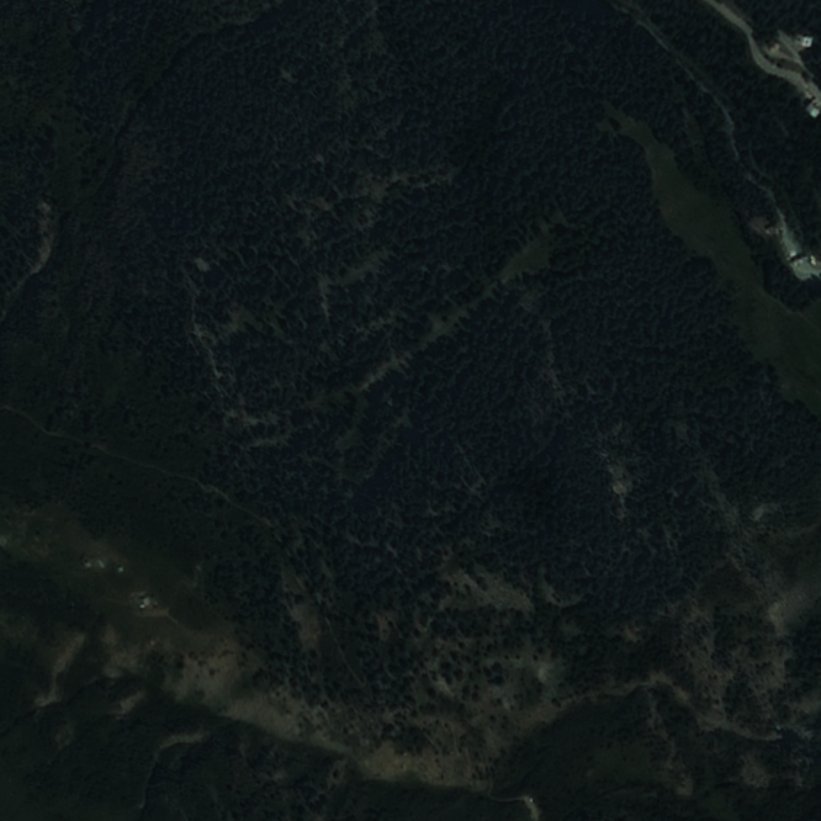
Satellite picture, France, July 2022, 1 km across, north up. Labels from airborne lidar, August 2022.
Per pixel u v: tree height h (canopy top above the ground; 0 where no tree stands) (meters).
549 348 31
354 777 6
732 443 12
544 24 27
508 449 34
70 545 0
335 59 37
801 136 22
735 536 33
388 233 31
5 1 9
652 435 18
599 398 14
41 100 7
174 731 9
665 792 7
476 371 30
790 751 38
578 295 27
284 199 33
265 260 14
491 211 15
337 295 17
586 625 13
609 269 30
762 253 21
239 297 13
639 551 20
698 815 9
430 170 10
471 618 8
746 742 12
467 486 29
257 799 11
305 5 17
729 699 9
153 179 11
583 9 38
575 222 17
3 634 0
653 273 32
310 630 0
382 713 11
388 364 20
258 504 6
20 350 0
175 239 19
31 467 6
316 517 28
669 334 32
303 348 29
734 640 8
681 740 7
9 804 0
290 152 18
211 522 8
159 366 6
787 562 6
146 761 6
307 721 8
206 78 21
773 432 8
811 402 0
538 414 36
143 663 0
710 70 25
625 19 14
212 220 26
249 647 10
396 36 21
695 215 0
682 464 29
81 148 8
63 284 8
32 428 5
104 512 6
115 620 0
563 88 30
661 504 16
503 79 16
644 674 8
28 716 8
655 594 29
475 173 16
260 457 34
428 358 10
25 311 7
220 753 8
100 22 24
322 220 12
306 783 12
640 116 28
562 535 23
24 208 22
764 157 29
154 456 8
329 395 11
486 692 0
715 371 16
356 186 29
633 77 33
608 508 28
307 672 11
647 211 31
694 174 24
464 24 16
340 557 22
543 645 9
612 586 23
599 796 7
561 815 6
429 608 11
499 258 16
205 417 7
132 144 11
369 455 18
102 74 17
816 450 24
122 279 9
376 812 15
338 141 17
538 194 15
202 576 0
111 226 7
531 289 20
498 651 7
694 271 28
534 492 16
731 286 6
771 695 6
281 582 14
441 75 14
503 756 9
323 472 22
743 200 32
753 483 17
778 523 6
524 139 27
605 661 15
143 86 14
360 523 19
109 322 8
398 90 21
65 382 7
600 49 32
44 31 9
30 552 0
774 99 23
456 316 0
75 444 7
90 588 0
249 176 39
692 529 13
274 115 29
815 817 14
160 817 0
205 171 26
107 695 9
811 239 11
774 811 10
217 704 0
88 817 0
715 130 25
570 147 38
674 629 6
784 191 9
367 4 14
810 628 8
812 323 0
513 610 8
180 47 10
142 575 0
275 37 32
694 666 8
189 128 23
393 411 41
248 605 9
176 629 0
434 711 11
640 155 32
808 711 0
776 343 0
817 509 12
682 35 17
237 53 23
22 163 25
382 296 10
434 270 30
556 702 8
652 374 30
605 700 6
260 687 6
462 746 8
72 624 7
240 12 15
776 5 29
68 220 14
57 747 8
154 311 7
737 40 20
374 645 11
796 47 0
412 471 25
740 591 5
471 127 17
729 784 9
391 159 22
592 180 38
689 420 20
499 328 27
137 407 9
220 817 11
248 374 23
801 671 12
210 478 8
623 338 21
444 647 7
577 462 14
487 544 13
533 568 22
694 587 38
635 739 8
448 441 20
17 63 11
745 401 23
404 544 21
